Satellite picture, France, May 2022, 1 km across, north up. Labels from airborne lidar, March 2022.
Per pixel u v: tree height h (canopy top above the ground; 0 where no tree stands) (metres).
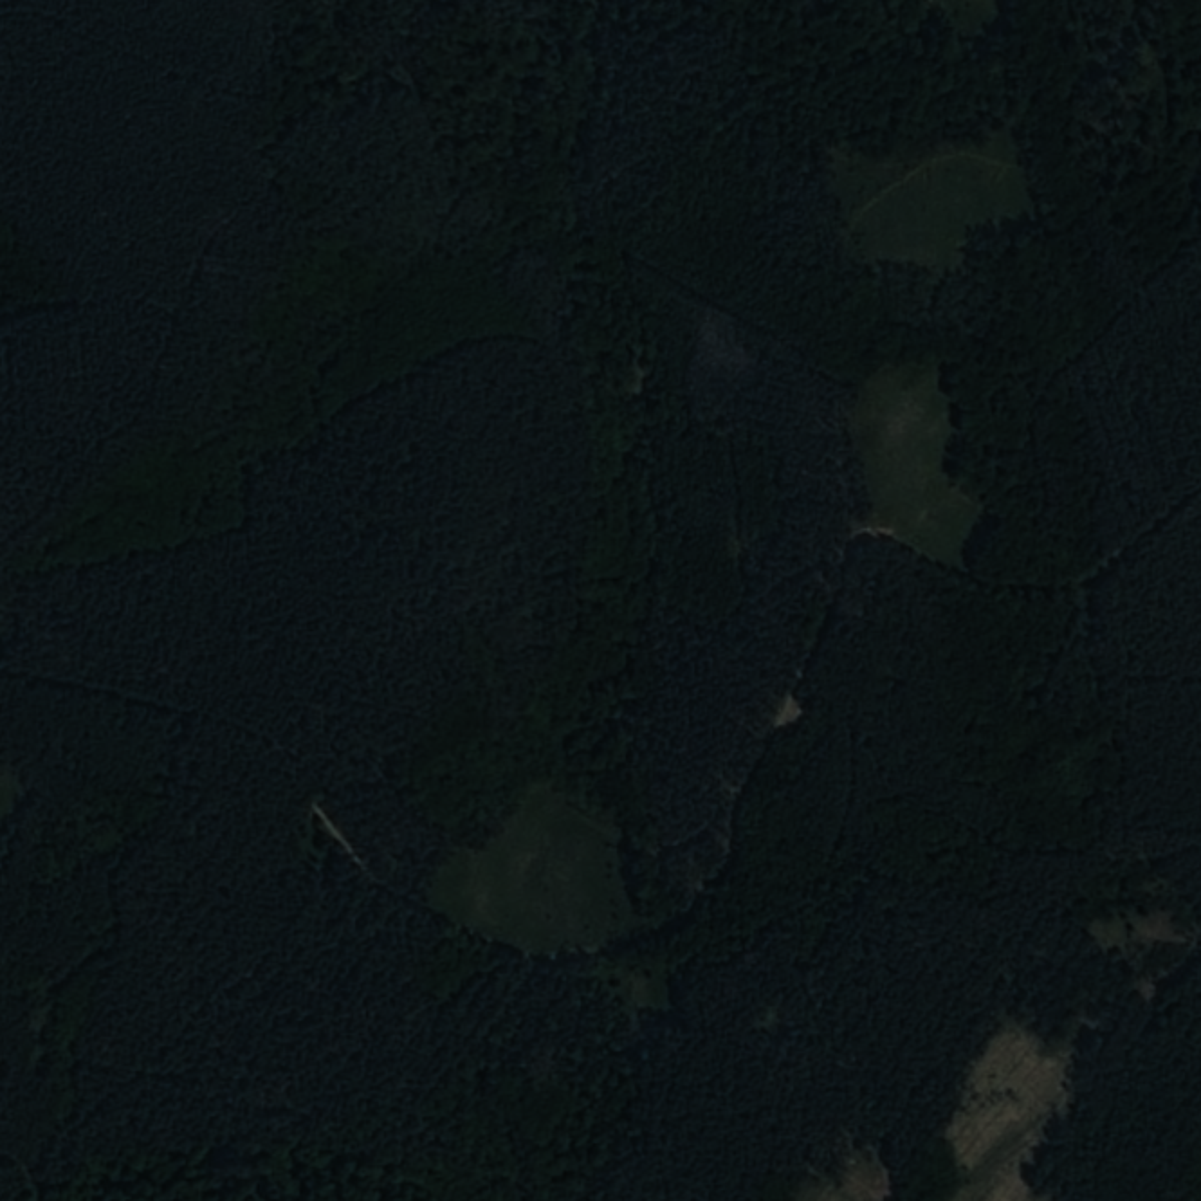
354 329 21
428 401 28
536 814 0
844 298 18
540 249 23
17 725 16
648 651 27
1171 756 20
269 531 30
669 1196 26
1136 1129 16
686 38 27
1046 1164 17
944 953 23
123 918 25
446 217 27
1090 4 23
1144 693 18
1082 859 25
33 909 13
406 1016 26
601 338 25
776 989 22
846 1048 22
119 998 27
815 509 25
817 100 28
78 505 15
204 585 33
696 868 19
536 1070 23
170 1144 22
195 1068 27
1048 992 21
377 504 28
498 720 24
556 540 26
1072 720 22
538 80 37
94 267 27
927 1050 27
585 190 24
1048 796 23
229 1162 39
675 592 18
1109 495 25
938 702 16
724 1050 26
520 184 21
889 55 31
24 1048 16
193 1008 20
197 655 32
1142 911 16
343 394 20
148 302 24
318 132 28
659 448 14
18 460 27
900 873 19
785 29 28
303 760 26
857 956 16
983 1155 0
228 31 24
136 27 26
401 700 29
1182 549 18
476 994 27
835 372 14
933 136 24
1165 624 17
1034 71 15
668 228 16
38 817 16
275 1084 26
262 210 29
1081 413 21
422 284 25
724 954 16
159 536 24
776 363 21
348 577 26
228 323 25
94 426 29
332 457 29
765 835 14
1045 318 21
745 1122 25
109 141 26
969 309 19
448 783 26
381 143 26
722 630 15
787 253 13
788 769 13
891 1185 18
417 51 21
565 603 27
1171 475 23
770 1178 22
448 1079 25
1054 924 20
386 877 23
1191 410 22
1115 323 21
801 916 14
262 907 30
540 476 24
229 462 23
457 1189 23
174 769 28
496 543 25
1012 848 16
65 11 27
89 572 30
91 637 28
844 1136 25
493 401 25
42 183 28
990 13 0
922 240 0
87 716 17
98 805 11
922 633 14
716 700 27
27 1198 23
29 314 26
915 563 12
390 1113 25
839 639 14
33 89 29
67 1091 16
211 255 25
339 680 27
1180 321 17
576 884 0
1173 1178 17
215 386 11
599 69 26
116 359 26
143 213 27
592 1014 21
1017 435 22
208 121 27
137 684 27
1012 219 0
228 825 27
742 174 16
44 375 28
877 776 15
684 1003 27
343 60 24
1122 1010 18
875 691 8
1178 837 22
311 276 21
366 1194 29
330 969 26
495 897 0
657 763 23
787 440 23
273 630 30
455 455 27
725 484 14
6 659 28
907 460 0
